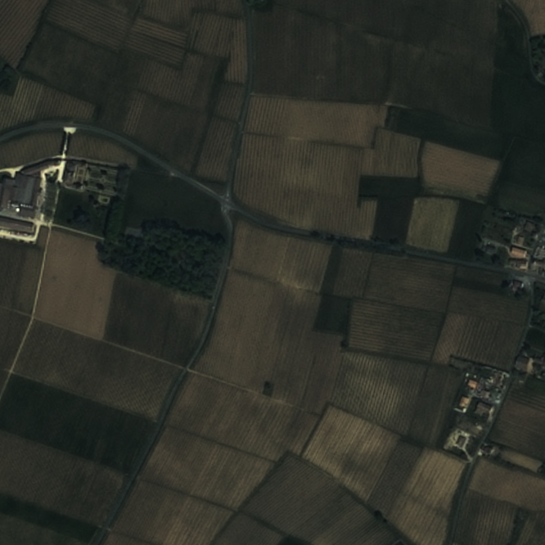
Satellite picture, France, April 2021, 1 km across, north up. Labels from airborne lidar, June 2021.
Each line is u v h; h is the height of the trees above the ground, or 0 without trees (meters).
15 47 0
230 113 0
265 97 0
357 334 0
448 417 0
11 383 0
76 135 0
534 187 0
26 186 0
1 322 0
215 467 0
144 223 0
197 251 20
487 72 0
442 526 0
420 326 0
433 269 0
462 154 0
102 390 0
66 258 0
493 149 0
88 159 0
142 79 0
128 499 0
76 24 0
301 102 0
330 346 0
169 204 0
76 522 0
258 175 0
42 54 0
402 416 0
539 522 0
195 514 0
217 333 0
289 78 0
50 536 0
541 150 0
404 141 0
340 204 0
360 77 0
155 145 0
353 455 0
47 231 0
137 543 0
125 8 0
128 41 0
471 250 0
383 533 0
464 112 0
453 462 0
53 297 0
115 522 0
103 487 0
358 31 0
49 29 0
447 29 0
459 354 0
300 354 0
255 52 0
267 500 0
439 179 0
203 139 0
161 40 0
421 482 0
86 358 0
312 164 0
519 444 0
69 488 0
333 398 0
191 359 0
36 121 0
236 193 0
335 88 0
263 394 0
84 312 0
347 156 0
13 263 0
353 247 11
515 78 0
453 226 0
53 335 0
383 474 0
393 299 0
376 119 0
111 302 0
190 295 22
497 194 0
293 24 0
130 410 0
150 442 0
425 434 0
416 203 0
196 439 0
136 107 0
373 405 0
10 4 0
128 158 0
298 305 0
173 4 0
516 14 0
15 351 0
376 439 0
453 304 0
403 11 0
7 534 0
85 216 21
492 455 7
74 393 0
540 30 0
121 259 10
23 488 0
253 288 0
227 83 0
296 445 0
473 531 0
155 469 0
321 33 0
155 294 0
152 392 0
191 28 0
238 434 0
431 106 0
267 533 0
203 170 0
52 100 0
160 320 0
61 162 0
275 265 0
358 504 0
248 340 0
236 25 0
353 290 0
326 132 0
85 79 0
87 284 0
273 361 0
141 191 0
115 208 16
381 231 0
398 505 0
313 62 0
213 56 0
